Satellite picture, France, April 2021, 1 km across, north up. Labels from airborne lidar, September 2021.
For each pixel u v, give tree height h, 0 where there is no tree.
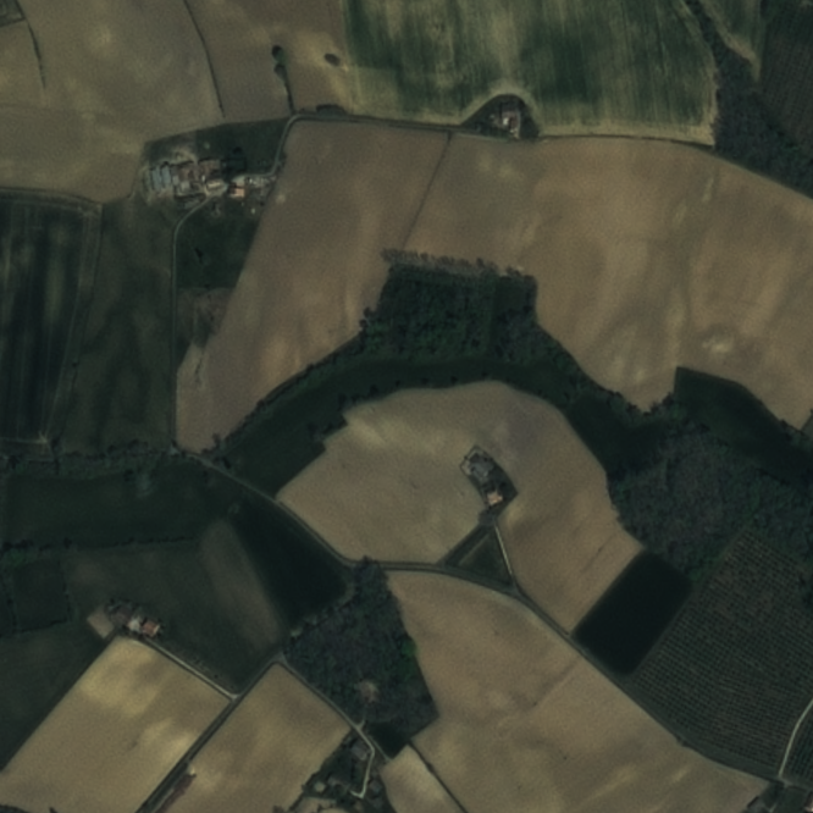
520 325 23
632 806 0
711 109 0
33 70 0
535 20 0
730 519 17
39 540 0
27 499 0
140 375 0
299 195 0
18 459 8
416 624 0
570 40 0
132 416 0
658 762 0
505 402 0
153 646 0
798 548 21
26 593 0
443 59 0
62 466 19
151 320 0
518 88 0
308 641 16
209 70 0
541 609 0
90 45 0
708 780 0
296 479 0
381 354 20
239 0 0
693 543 17
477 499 0
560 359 17
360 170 0
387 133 0
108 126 0
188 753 0
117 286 0
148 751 0
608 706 0
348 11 0
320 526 0
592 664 0
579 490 0
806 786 0
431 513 0
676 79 0
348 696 16
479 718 0
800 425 0
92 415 0
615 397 14
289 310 0
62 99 0
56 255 0
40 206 0
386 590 19
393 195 0
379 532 0
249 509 0
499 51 0
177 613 0
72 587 0
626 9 0
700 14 12
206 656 0
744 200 0
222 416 0
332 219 0
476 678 0
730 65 12
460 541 0
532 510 0
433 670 0
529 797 0
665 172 0
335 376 0
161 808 0
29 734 0
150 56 0
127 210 0
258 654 0
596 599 0
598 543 0
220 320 0
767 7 13
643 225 0
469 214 0
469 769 0
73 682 0
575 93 0
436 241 0
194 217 0
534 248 0
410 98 0
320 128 0
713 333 0
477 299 22
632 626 0
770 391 0
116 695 0
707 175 0
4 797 0
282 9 0
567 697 0
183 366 0
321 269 0
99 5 0
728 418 0
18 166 0
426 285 11
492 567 0
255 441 0
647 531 20
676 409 20
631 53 0
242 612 0
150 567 0
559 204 0
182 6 0
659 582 0
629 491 24
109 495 0
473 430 0
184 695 0
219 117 0
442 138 0
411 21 0
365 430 0
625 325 0
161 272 0
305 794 9
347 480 0
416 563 0
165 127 0
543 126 0
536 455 0
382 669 23
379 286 0
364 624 6
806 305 0
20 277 0
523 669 0
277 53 12
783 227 0
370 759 0
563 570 0
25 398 0
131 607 7
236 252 0
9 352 0
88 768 0
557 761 0
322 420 0
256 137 0
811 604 11
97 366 0
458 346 9
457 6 0
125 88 0
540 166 0
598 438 0
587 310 0
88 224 0
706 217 0
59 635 0
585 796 0
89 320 0
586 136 0
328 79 0
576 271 0
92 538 0
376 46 0
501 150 0
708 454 24
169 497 0
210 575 0
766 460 0
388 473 0
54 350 0
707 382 0
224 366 0
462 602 0
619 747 0
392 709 19
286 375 0
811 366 0
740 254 0
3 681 0
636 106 0
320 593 0
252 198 0
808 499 14
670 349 0
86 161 0
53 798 0
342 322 0
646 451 0
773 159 15
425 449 0
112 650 0
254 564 0
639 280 0
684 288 0
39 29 0
